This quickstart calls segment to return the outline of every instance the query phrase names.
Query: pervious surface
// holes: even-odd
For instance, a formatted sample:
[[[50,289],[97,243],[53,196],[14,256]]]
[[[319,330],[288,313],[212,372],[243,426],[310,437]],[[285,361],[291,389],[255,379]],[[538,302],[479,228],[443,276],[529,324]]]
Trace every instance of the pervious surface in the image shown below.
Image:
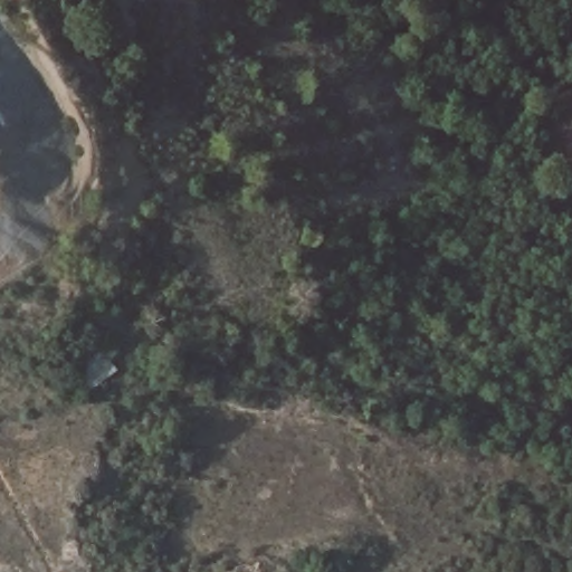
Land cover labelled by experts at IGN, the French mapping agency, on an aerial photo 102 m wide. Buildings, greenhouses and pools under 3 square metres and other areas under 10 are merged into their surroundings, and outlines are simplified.
[[[51,572],[89,572],[89,563],[78,554],[74,541],[63,543],[63,552],[58,554],[45,550]]]
[[[51,60],[47,38],[38,38],[36,45],[29,45],[22,51],[0,25],[0,284],[20,279],[20,275],[31,266],[45,268],[45,255],[56,246],[58,235],[65,230],[67,223],[74,230],[78,230],[80,226],[92,221],[80,206],[85,201],[85,194],[89,192],[89,188],[85,188],[85,179],[92,165],[94,143],[87,130],[89,112],[80,105],[76,107],[78,96],[65,85],[60,67]],[[83,156],[78,159],[78,163],[74,163],[67,156],[67,145],[72,143],[72,139],[65,136],[60,125],[65,116],[74,118],[78,127],[76,141],[83,147]]]

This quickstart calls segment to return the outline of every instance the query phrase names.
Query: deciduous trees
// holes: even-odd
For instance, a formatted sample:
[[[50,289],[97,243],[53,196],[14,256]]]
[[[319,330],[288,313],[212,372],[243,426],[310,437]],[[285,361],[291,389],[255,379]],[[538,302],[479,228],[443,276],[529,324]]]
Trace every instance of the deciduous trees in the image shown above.
[[[150,219],[150,215],[163,203],[163,197],[154,192],[132,215],[132,228],[143,226]]]
[[[87,58],[101,54],[114,58],[114,65],[105,69],[109,80],[103,92],[103,103],[114,105],[118,112],[125,114],[127,134],[134,132],[136,121],[143,114],[143,101],[152,94],[152,80],[156,76],[154,25],[150,20],[121,18],[116,9],[96,9],[87,0],[56,0],[63,11],[63,31],[74,42],[74,47],[83,51]]]
[[[404,107],[411,109],[420,121],[420,125],[416,127],[411,161],[429,168],[427,183],[422,183],[411,194],[411,201],[400,208],[400,219],[393,221],[389,228],[382,219],[380,208],[373,208],[371,217],[366,212],[360,212],[349,223],[335,221],[333,230],[324,237],[320,232],[313,232],[311,228],[302,228],[302,244],[306,248],[299,257],[295,252],[286,252],[282,257],[282,270],[273,273],[273,286],[266,288],[273,299],[266,302],[259,293],[255,293],[250,299],[241,299],[230,306],[221,306],[217,302],[221,288],[210,288],[212,273],[206,248],[201,248],[197,257],[190,261],[190,266],[183,273],[179,273],[163,290],[156,284],[123,284],[112,264],[125,250],[125,239],[116,239],[112,244],[103,237],[109,212],[101,206],[101,201],[98,168],[92,165],[85,179],[85,188],[89,188],[89,192],[85,194],[85,201],[80,206],[92,221],[80,226],[78,230],[74,230],[67,223],[65,230],[58,235],[56,246],[45,255],[45,268],[45,275],[58,282],[58,290],[63,295],[69,297],[69,284],[78,284],[83,279],[87,282],[87,295],[78,295],[72,302],[72,313],[65,315],[65,326],[60,322],[51,322],[47,328],[38,328],[34,333],[34,344],[27,340],[18,340],[18,346],[22,351],[20,369],[25,373],[31,373],[47,389],[60,395],[56,402],[49,400],[40,409],[29,409],[29,418],[38,420],[49,416],[65,416],[72,409],[72,404],[98,402],[107,402],[116,418],[114,425],[105,429],[105,438],[96,442],[98,474],[94,478],[83,480],[78,489],[80,501],[72,507],[76,518],[74,541],[78,554],[89,563],[89,572],[382,572],[395,559],[389,538],[382,534],[346,536],[337,527],[311,530],[279,538],[279,547],[275,554],[268,552],[268,545],[252,547],[250,541],[241,541],[239,545],[230,545],[223,536],[210,536],[208,530],[188,527],[185,521],[192,518],[197,509],[201,509],[201,503],[188,489],[188,478],[168,476],[163,471],[163,454],[170,454],[172,449],[174,422],[179,420],[177,409],[159,409],[161,402],[168,398],[168,391],[177,387],[183,393],[185,384],[212,382],[215,398],[235,400],[259,409],[279,409],[286,400],[304,398],[317,402],[324,411],[349,413],[351,418],[346,422],[346,433],[362,447],[366,447],[369,442],[371,427],[384,425],[391,433],[402,433],[407,438],[427,433],[431,442],[429,451],[433,451],[436,456],[447,456],[454,449],[460,454],[467,445],[480,445],[485,440],[492,447],[492,451],[518,460],[532,458],[534,465],[541,465],[545,471],[550,471],[552,480],[563,478],[572,471],[572,161],[565,154],[552,154],[545,159],[536,147],[534,130],[538,116],[545,112],[543,92],[550,85],[554,85],[556,78],[563,78],[565,83],[572,80],[572,0],[239,0],[248,7],[248,16],[257,25],[268,22],[268,16],[275,4],[282,11],[288,11],[297,20],[293,27],[295,40],[264,45],[248,60],[235,58],[232,34],[223,34],[215,40],[215,47],[210,47],[203,54],[208,74],[215,78],[206,94],[206,118],[201,123],[183,127],[177,136],[174,145],[179,152],[179,163],[170,172],[165,170],[161,174],[165,183],[177,181],[183,188],[188,188],[192,197],[199,199],[203,194],[210,203],[221,203],[228,197],[241,192],[244,210],[264,212],[266,199],[261,194],[261,188],[268,161],[284,159],[284,152],[293,145],[284,139],[282,132],[288,123],[297,123],[299,114],[306,109],[306,103],[313,101],[317,87],[315,76],[320,72],[335,74],[340,67],[349,67],[344,58],[335,56],[335,51],[328,49],[326,42],[333,38],[337,38],[337,47],[353,51],[371,49],[373,40],[378,40],[387,49],[391,47],[398,58],[402,58],[402,72],[407,76],[395,92],[402,98]]]

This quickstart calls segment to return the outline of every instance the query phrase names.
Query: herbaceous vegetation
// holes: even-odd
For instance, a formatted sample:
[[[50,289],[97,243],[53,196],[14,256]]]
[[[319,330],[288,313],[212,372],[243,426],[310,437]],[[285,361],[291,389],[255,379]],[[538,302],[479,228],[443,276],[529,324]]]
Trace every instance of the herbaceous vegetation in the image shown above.
[[[299,114],[297,123],[288,123],[282,132],[284,139],[293,145],[284,152],[284,159],[268,161],[261,188],[261,194],[266,199],[264,212],[244,210],[241,192],[228,197],[221,203],[210,203],[203,194],[199,199],[192,197],[188,188],[183,188],[177,181],[165,183],[161,174],[165,170],[170,172],[179,163],[179,152],[174,145],[177,136],[183,127],[201,123],[206,118],[206,94],[215,78],[208,74],[203,54],[210,47],[215,47],[215,40],[223,34],[232,34],[235,58],[248,60],[264,45],[295,40],[293,27],[297,20],[288,11],[282,11],[275,4],[268,16],[268,22],[257,25],[248,16],[248,7],[239,0],[87,0],[96,9],[116,9],[121,18],[150,20],[154,25],[156,76],[152,80],[152,94],[143,101],[143,114],[136,121],[134,132],[127,134],[118,145],[118,161],[127,170],[127,183],[114,188],[101,201],[101,206],[109,212],[103,237],[112,244],[116,239],[125,239],[125,250],[112,264],[123,284],[156,284],[163,290],[179,273],[183,273],[190,266],[190,261],[197,257],[201,248],[206,248],[212,273],[210,288],[221,288],[217,302],[221,306],[230,306],[241,299],[250,299],[255,293],[259,293],[266,302],[273,299],[266,288],[273,286],[273,273],[282,270],[282,257],[286,252],[295,252],[299,257],[306,248],[302,244],[302,228],[311,228],[313,232],[320,232],[324,237],[333,230],[335,221],[349,223],[360,212],[366,212],[371,217],[373,208],[380,208],[382,219],[389,228],[393,221],[400,219],[400,208],[411,201],[411,194],[422,183],[427,183],[429,168],[411,161],[416,127],[420,125],[420,121],[411,109],[404,107],[402,98],[395,92],[407,76],[402,72],[402,58],[398,58],[391,47],[387,49],[378,40],[373,40],[371,49],[353,51],[337,47],[337,38],[333,38],[326,42],[328,49],[335,51],[335,56],[344,58],[349,67],[340,67],[335,74],[320,72],[315,76],[317,87],[313,101],[306,103],[306,109]],[[150,215],[150,219],[143,226],[132,228],[132,215],[154,192],[163,197],[163,203]]]
[[[105,429],[114,425],[116,418],[107,402],[98,402],[72,404],[72,409],[65,416],[49,416],[38,420],[29,418],[29,409],[40,409],[49,400],[56,402],[60,395],[47,389],[31,373],[25,373],[20,369],[18,373],[13,373],[0,369],[0,572],[51,572],[45,550],[58,554],[63,552],[63,543],[74,541],[76,518],[72,507],[80,501],[78,489],[83,480],[94,478],[98,474],[96,442],[105,438]]]
[[[545,159],[552,154],[565,154],[572,161],[572,80],[565,83],[563,78],[556,78],[554,85],[550,85],[543,92],[545,112],[538,116],[534,130],[536,147]]]
[[[208,530],[210,536],[223,536],[230,545],[239,545],[241,541],[250,541],[252,547],[268,545],[268,552],[275,554],[279,547],[279,538],[311,530],[337,527],[346,536],[382,534],[389,538],[395,559],[382,572],[471,572],[476,559],[489,554],[492,538],[498,530],[498,525],[485,525],[476,521],[474,512],[480,505],[480,501],[489,494],[489,489],[505,489],[507,480],[512,480],[514,469],[518,467],[518,460],[492,451],[492,447],[485,440],[480,445],[467,445],[460,454],[454,449],[447,456],[436,456],[433,451],[429,451],[431,442],[427,433],[407,438],[402,433],[391,433],[384,425],[371,427],[369,442],[366,447],[362,447],[346,433],[346,422],[351,418],[349,413],[324,411],[317,402],[304,398],[286,400],[279,409],[259,409],[235,400],[215,398],[212,382],[185,384],[183,393],[177,387],[168,391],[168,398],[161,402],[159,409],[177,409],[179,420],[174,422],[172,449],[170,454],[163,454],[163,471],[168,476],[188,478],[188,489],[201,503],[201,509],[197,509],[192,518],[185,521],[188,527]]]

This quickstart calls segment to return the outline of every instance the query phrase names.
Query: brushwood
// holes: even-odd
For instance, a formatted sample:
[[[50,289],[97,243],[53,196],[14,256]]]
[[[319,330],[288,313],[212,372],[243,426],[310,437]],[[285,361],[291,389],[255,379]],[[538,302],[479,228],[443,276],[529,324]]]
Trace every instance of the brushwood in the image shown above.
[[[69,297],[63,295],[58,290],[58,282],[45,275],[45,268],[31,266],[20,275],[20,279],[0,284],[0,369],[13,373],[18,373],[20,369],[22,351],[18,346],[18,340],[27,340],[34,344],[34,333],[38,328],[47,328],[51,322],[60,322],[65,326],[65,315],[72,313],[72,302],[78,295],[87,295],[87,282],[83,279],[78,284],[69,284]]]
[[[489,494],[480,501],[480,505],[474,512],[476,521],[485,525],[498,525],[498,530],[492,538],[489,554],[476,559],[471,572],[572,572],[572,471],[563,478],[552,480],[550,471],[545,471],[541,465],[534,465],[532,458],[518,460],[518,467],[514,469],[512,480],[507,480],[505,489],[489,489]]]
[[[65,136],[72,139],[72,143],[67,145],[67,156],[74,163],[78,163],[78,159],[83,156],[83,147],[76,141],[78,127],[74,118],[65,116],[60,125]]]
[[[118,112],[114,105],[103,103],[103,92],[109,80],[105,69],[114,65],[114,58],[101,54],[87,58],[83,51],[74,47],[74,42],[63,31],[63,11],[56,0],[0,0],[0,25],[22,51],[29,45],[36,45],[38,38],[47,38],[51,60],[60,67],[65,85],[78,96],[76,107],[80,105],[89,112],[87,130],[94,143],[92,165],[98,168],[101,201],[114,188],[127,183],[127,170],[118,161],[118,145],[127,134],[125,114]]]

